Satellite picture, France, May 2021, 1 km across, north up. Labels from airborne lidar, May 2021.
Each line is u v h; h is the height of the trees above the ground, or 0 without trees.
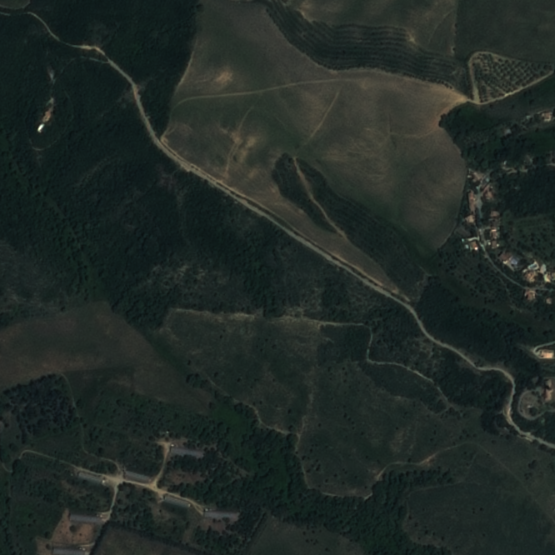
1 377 0
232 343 0
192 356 0
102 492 0
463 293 0
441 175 0
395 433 0
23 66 9
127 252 10
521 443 0
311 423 0
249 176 0
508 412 0
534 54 0
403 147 0
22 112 7
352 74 0
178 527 6
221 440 9
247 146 0
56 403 20
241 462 9
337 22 0
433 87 0
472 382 6
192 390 0
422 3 0
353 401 0
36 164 11
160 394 0
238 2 0
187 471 7
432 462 0
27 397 12
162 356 0
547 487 0
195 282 7
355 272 6
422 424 0
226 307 9
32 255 9
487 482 0
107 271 10
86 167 6
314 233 0
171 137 0
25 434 12
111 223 6
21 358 0
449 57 0
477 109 0
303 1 0
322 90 0
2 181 8
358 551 0
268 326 0
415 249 0
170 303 8
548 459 0
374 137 0
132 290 9
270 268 10
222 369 0
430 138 0
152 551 0
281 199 0
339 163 0
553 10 0
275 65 0
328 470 0
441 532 0
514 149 11
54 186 10
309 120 0
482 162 14
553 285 6
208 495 11
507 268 8
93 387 0
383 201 0
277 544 0
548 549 0
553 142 0
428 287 10
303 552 0
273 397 0
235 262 9
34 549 0
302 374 0
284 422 0
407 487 9
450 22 0
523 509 0
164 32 11
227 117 0
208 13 0
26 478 6
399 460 0
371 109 0
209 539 7
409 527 0
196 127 0
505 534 0
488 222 10
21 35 6
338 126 0
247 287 9
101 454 9
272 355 0
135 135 7
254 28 0
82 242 14
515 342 12
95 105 6
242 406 14
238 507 6
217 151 0
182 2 8
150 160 6
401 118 0
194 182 6
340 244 0
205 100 0
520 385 8
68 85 7
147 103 7
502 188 11
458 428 0
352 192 0
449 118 12
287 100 0
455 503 0
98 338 0
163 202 7
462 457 0
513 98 0
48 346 0
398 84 0
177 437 7
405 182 0
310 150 0
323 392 0
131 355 0
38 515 0
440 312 8
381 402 0
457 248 5
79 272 9
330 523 12
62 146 6
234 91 0
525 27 0
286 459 12
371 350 5
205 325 0
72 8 7
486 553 0
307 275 0
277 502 14
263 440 8
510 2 0
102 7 6
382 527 14
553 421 7
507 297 7
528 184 7
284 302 8
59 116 7
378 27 0
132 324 8
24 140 6
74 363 0
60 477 8
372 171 0
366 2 0
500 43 0
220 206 6
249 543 6
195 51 0
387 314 10
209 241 7
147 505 7
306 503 19
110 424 7
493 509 0
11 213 12
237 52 0
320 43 0
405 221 0
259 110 0
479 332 5
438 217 0
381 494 15
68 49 6
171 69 7
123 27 6
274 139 0
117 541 0
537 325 0
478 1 0
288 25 0
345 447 0
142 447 0
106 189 7
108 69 7
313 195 0
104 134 8
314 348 0
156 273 7
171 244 6
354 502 9
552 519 0
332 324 0
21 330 0
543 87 0
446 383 9
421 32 0
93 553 13
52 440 0
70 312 0
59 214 9
